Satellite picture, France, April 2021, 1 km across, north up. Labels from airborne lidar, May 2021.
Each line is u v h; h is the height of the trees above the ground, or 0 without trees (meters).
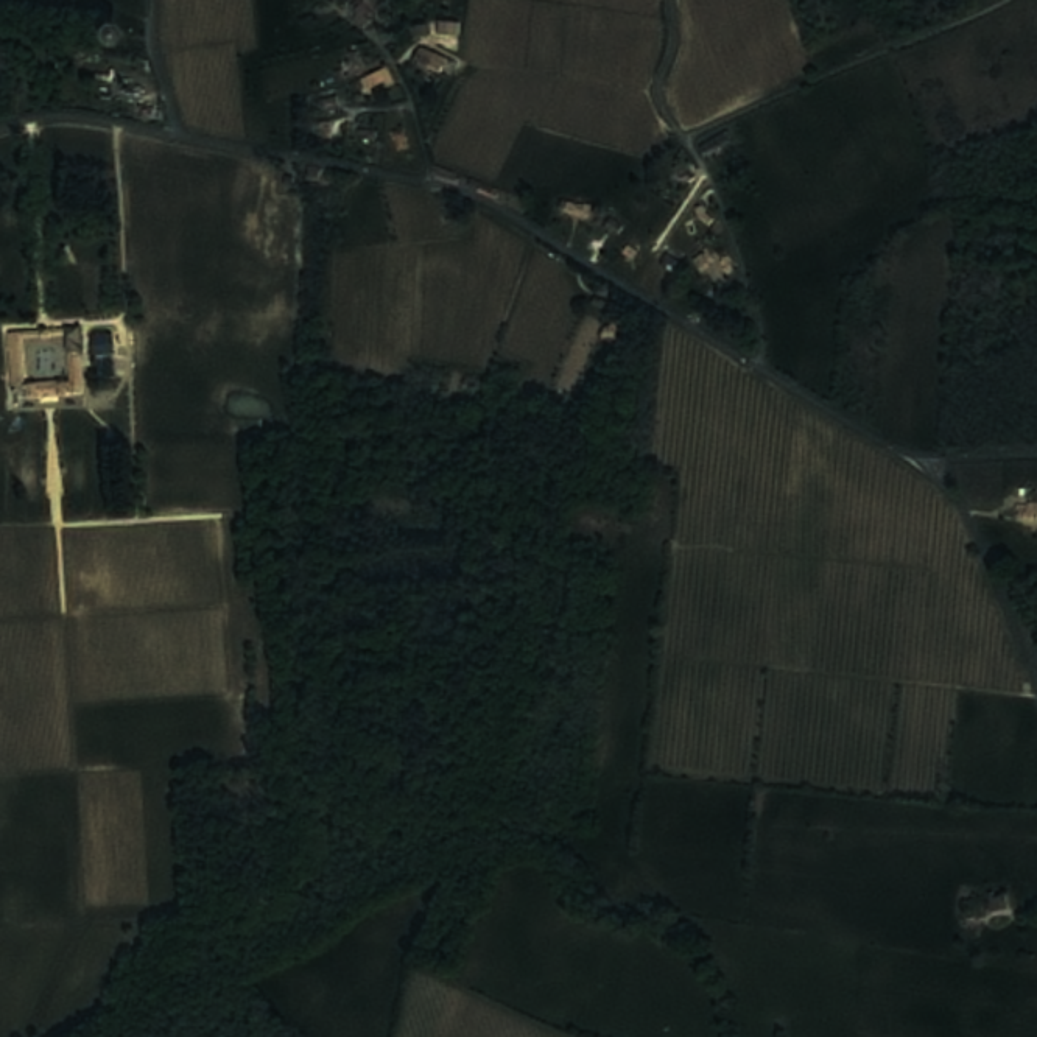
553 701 16
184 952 26
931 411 0
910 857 0
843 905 0
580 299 7
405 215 0
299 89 0
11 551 0
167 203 0
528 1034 0
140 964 19
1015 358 20
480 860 21
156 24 0
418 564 13
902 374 0
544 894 0
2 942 0
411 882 27
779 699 0
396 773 20
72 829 0
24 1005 0
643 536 0
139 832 0
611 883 0
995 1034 0
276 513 25
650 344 19
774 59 0
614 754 0
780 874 0
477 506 18
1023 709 0
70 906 0
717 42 0
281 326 0
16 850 0
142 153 0
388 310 0
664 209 0
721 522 0
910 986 0
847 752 0
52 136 0
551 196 0
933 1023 0
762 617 0
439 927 15
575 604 25
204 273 0
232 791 11
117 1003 17
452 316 0
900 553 0
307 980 0
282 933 20
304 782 31
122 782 0
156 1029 26
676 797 0
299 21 0
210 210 0
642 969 0
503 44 0
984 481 0
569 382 0
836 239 0
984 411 18
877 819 0
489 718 24
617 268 0
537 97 0
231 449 0
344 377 19
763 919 0
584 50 0
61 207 14
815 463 0
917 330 0
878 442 0
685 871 0
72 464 0
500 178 0
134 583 0
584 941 0
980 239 14
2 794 0
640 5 0
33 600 0
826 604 0
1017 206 27
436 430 9
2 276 0
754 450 0
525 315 0
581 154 0
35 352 0
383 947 0
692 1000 0
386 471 12
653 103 0
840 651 0
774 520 0
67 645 0
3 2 19
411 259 0
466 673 27
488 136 0
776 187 0
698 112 0
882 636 0
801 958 0
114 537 0
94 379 13
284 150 0
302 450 19
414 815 24
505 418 16
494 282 0
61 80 12
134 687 0
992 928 0
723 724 0
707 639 0
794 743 0
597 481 21
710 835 0
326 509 24
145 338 0
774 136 0
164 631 0
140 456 10
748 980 0
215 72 0
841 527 0
